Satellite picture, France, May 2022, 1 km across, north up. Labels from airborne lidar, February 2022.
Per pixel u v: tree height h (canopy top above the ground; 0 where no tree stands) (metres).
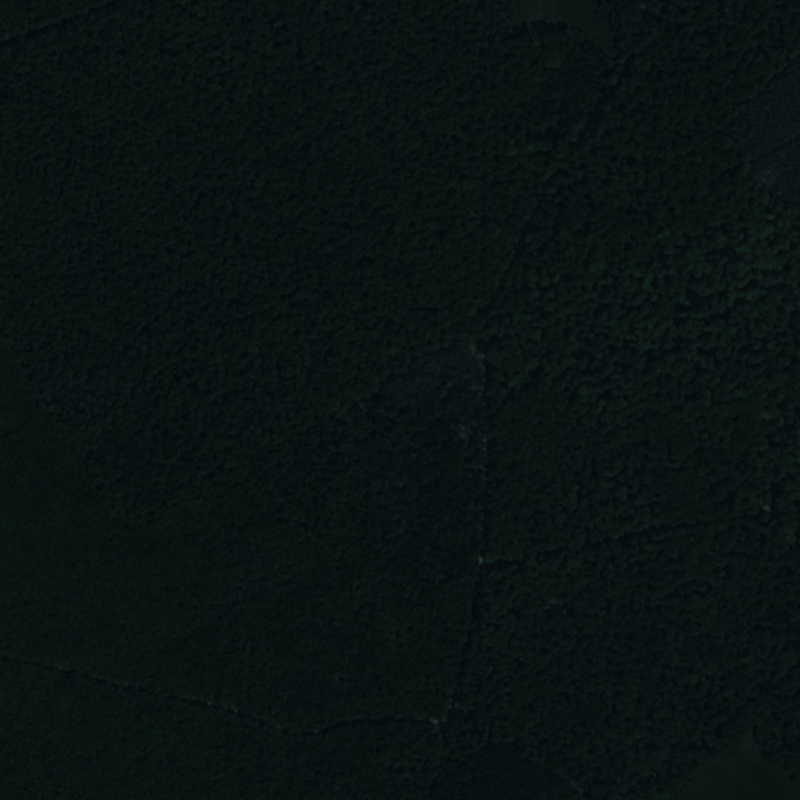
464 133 30
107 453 27
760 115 24
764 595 29
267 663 15
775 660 30
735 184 31
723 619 27
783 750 29
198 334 24
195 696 14
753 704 33
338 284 28
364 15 26
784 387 32
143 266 28
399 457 25
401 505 22
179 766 14
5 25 19
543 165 29
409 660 15
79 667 15
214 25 27
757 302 37
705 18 30
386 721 13
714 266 36
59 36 28
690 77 33
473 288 25
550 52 25
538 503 28
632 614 28
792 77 22
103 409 24
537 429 28
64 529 16
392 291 26
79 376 21
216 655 18
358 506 23
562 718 27
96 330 26
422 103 31
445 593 16
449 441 22
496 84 30
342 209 27
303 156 29
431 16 30
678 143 31
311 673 14
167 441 26
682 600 29
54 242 24
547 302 34
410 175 28
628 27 20
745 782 0
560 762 26
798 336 27
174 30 26
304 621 15
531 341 28
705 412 34
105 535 17
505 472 23
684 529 27
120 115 27
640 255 31
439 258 30
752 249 37
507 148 29
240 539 17
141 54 26
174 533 16
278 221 24
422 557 17
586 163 32
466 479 24
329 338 28
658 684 29
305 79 31
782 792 0
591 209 33
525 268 33
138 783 14
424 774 24
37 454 17
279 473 25
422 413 23
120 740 19
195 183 27
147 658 16
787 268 32
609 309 37
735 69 33
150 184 25
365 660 16
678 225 33
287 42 31
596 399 33
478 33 28
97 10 26
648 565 28
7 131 26
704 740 25
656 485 28
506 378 31
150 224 27
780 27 32
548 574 28
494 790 17
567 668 30
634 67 30
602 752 29
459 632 18
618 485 33
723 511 27
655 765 28
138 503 25
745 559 29
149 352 30
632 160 32
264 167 27
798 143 25
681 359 32
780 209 35
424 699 14
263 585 13
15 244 25
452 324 27
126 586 17
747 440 31
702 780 0
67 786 16
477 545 18
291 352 29
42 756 18
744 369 35
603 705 30
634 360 35
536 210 27
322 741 15
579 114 23
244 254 29
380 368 25
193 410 29
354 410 26
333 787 21
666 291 37
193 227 25
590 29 0
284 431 26
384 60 31
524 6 0
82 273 27
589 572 30
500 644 26
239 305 28
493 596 29
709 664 28
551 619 29
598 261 33
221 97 28
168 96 26
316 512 24
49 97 24
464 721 24
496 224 32
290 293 26
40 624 17
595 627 28
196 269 27
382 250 29
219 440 28
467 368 29
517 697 29
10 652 15
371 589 22
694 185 32
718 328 36
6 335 18
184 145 23
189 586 17
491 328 28
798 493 36
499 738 22
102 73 22
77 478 18
